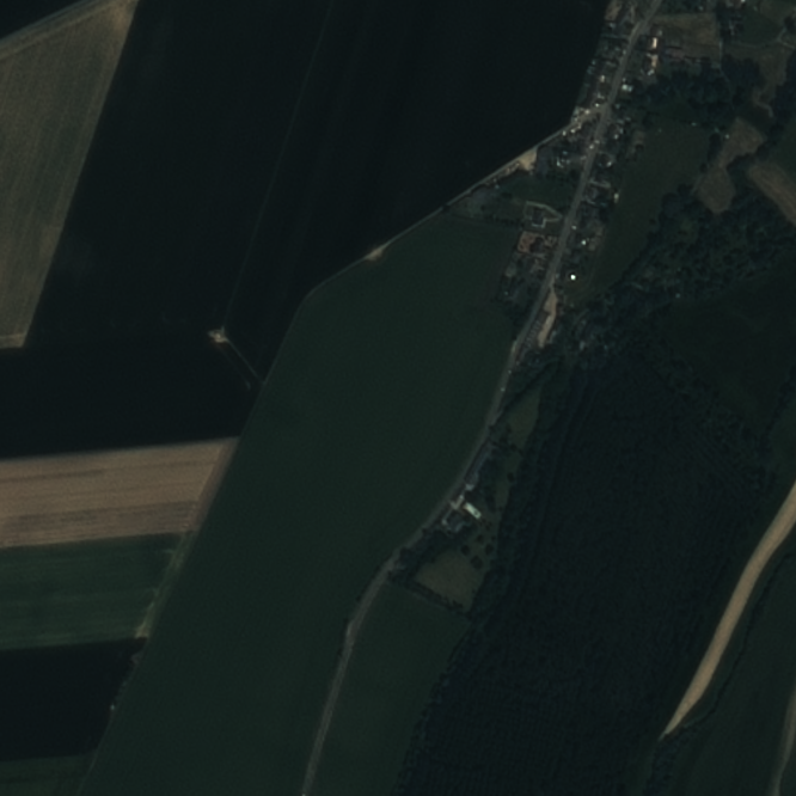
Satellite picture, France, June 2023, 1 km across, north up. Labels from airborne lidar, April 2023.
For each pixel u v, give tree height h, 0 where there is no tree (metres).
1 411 0
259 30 0
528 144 0
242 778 0
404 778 8
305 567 0
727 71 26
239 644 0
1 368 0
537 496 24
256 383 0
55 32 0
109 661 0
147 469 0
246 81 0
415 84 0
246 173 0
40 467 0
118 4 0
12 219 0
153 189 0
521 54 0
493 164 0
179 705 0
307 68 0
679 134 0
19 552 0
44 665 0
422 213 0
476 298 0
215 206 0
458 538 13
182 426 0
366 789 0
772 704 0
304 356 0
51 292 0
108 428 0
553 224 0
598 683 26
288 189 0
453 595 0
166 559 0
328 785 0
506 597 25
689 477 24
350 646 0
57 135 0
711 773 0
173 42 0
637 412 25
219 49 0
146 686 0
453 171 0
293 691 0
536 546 27
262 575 0
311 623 0
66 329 0
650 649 24
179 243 0
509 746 26
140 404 0
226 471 0
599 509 26
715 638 0
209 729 0
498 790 26
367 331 0
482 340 0
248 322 0
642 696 22
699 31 0
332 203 0
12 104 0
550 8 0
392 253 0
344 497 0
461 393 0
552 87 0
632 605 24
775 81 0
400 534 0
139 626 0
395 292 0
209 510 0
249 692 0
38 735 0
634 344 10
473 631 6
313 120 0
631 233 0
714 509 24
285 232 0
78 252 0
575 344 13
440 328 0
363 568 0
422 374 0
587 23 0
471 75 0
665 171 0
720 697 6
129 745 0
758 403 0
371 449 0
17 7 0
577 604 24
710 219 15
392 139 0
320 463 0
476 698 27
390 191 0
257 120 0
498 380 0
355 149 0
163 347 0
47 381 0
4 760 0
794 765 0
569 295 0
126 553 0
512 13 0
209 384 0
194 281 0
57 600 0
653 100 22
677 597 24
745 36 0
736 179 8
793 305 0
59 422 0
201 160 0
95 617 0
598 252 0
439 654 0
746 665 0
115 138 0
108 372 0
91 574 0
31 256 0
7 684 0
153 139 0
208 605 0
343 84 0
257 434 0
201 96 0
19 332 0
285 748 0
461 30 0
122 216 0
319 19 0
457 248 0
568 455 26
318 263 0
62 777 0
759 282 0
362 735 0
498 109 0
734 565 0
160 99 0
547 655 15
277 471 0
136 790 0
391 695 0
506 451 9
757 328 0
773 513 0
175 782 0
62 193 0
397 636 0
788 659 0
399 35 0
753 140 0
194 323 0
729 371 0
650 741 0
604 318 15
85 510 0
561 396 16
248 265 0
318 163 0
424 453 0
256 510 0
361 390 0
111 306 0
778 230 15
